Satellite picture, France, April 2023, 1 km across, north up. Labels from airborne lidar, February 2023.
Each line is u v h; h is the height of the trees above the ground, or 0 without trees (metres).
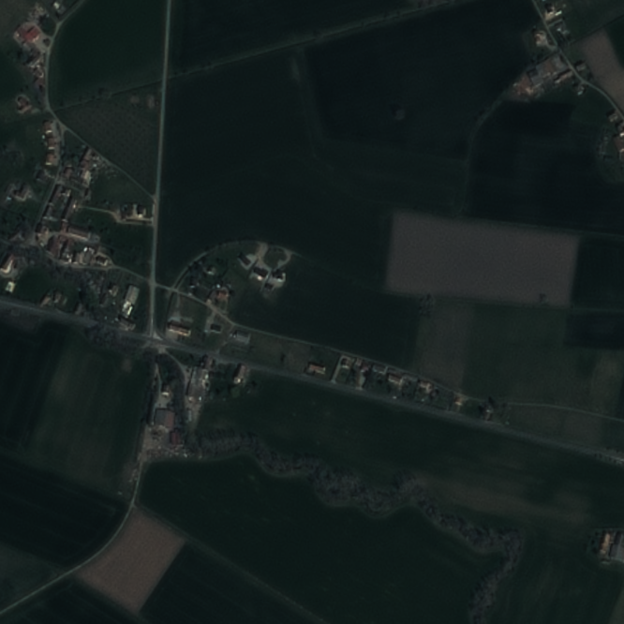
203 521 0
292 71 0
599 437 0
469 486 0
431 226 0
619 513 0
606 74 0
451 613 0
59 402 0
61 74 0
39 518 0
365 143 0
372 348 0
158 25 0
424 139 0
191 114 0
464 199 0
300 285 0
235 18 0
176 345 0
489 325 0
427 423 0
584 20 0
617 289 0
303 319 0
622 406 0
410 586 0
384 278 0
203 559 0
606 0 0
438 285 0
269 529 0
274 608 0
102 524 0
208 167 0
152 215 0
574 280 0
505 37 0
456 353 0
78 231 0
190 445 31
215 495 0
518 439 0
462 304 0
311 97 0
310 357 0
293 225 0
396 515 0
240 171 0
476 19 0
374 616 0
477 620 12
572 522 0
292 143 0
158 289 0
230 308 0
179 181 0
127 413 0
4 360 0
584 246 0
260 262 0
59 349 0
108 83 0
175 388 15
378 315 0
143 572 0
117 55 0
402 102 0
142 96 0
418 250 0
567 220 0
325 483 20
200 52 0
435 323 0
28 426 0
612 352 0
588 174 0
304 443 0
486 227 0
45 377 0
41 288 0
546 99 0
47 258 10
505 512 0
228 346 0
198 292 10
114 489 0
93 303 18
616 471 0
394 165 0
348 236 0
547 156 0
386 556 0
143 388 0
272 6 0
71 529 0
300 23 0
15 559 0
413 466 0
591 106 0
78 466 0
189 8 0
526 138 0
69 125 0
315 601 0
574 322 0
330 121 0
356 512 0
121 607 0
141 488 0
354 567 0
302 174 0
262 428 0
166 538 0
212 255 11
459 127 0
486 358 0
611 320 0
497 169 0
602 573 0
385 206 0
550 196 0
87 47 0
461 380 0
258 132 0
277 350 0
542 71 0
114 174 0
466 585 0
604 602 0
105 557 0
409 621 0
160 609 0
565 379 0
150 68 0
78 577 0
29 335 0
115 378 0
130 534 0
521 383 0
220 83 0
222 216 0
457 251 0
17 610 0
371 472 0
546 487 0
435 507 11
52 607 0
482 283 0
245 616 0
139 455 0
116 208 0
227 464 0
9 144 0
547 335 0
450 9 0
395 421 0
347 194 0
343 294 0
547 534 0
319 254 0
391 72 0
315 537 0
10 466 0
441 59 0
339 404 0
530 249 0
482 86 0
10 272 0
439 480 0
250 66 0
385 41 0
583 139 0
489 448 0
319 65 0
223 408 0
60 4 13
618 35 0
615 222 0
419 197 0
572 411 0
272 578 0
